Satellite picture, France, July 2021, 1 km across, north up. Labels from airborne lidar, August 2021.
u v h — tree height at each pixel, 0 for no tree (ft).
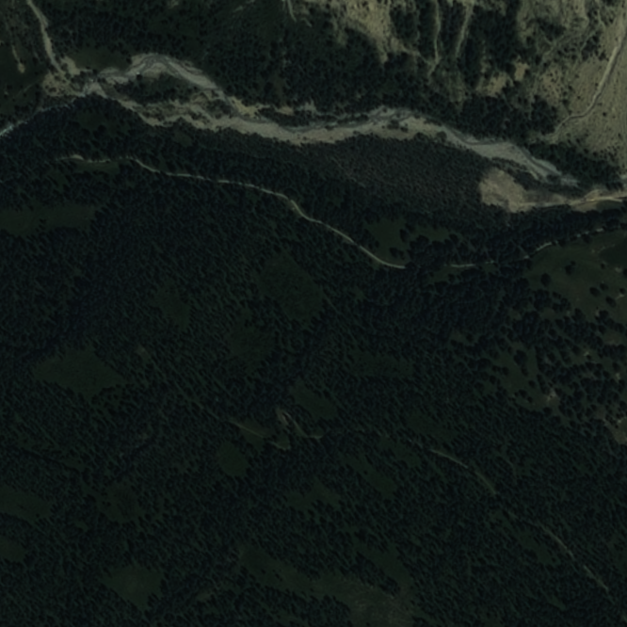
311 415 87
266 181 68
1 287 69
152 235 68
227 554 76
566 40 0
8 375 66
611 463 77
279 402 73
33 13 18
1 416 90
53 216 0
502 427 87
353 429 81
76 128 59
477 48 51
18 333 71
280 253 87
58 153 84
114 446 80
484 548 65
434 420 83
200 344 60
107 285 58
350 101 36
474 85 53
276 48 70
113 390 36
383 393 88
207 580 67
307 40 22
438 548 81
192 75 0
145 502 53
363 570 85
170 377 83
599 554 69
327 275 73
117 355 73
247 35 33
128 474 48
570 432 58
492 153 0
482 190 0
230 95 19
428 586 82
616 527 88
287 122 31
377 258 0
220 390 88
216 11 45
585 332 71
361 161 31
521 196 0
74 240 85
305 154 27
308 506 0
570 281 0
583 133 0
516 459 19
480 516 24
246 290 72
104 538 72
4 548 0
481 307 82
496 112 37
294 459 88
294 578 0
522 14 0
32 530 71
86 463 30
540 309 78
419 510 82
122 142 64
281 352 94
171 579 82
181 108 0
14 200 56
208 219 79
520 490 82
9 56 0
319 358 32
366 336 83
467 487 79
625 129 0
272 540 101
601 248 0
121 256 62
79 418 90
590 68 0
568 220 73
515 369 0
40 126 61
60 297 84
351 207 77
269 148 46
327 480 74
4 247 93
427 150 38
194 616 82
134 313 70
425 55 53
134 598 0
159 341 33
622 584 80
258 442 0
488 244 46
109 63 0
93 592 76
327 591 0
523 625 84
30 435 86
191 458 54
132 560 83
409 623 0
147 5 29
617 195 0
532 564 80
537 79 0
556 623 91
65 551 83
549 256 0
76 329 46
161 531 77
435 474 33
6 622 32
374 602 0
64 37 36
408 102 49
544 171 0
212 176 78
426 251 59
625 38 0
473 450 38
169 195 69
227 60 35
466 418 75
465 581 62
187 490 73
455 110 45
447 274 0
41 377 0
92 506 83
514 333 77
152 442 40
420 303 85
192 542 71
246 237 53
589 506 70
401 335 72
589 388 58
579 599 61
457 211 25
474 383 77
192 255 69
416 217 82
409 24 56
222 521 92
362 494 75
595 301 0
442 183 33
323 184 72
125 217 99
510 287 76
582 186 31
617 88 0
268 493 75
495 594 79
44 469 78
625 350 71
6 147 69
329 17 47
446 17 40
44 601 76
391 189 27
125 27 49
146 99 37
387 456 78
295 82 45
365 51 28
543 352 82
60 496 82
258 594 50
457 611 79
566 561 55
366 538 95
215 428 69
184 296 39
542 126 49
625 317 0
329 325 93
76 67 0
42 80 0
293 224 92
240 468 0
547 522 65
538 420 78
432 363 62
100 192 82
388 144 42
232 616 49
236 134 21
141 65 0
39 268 100
